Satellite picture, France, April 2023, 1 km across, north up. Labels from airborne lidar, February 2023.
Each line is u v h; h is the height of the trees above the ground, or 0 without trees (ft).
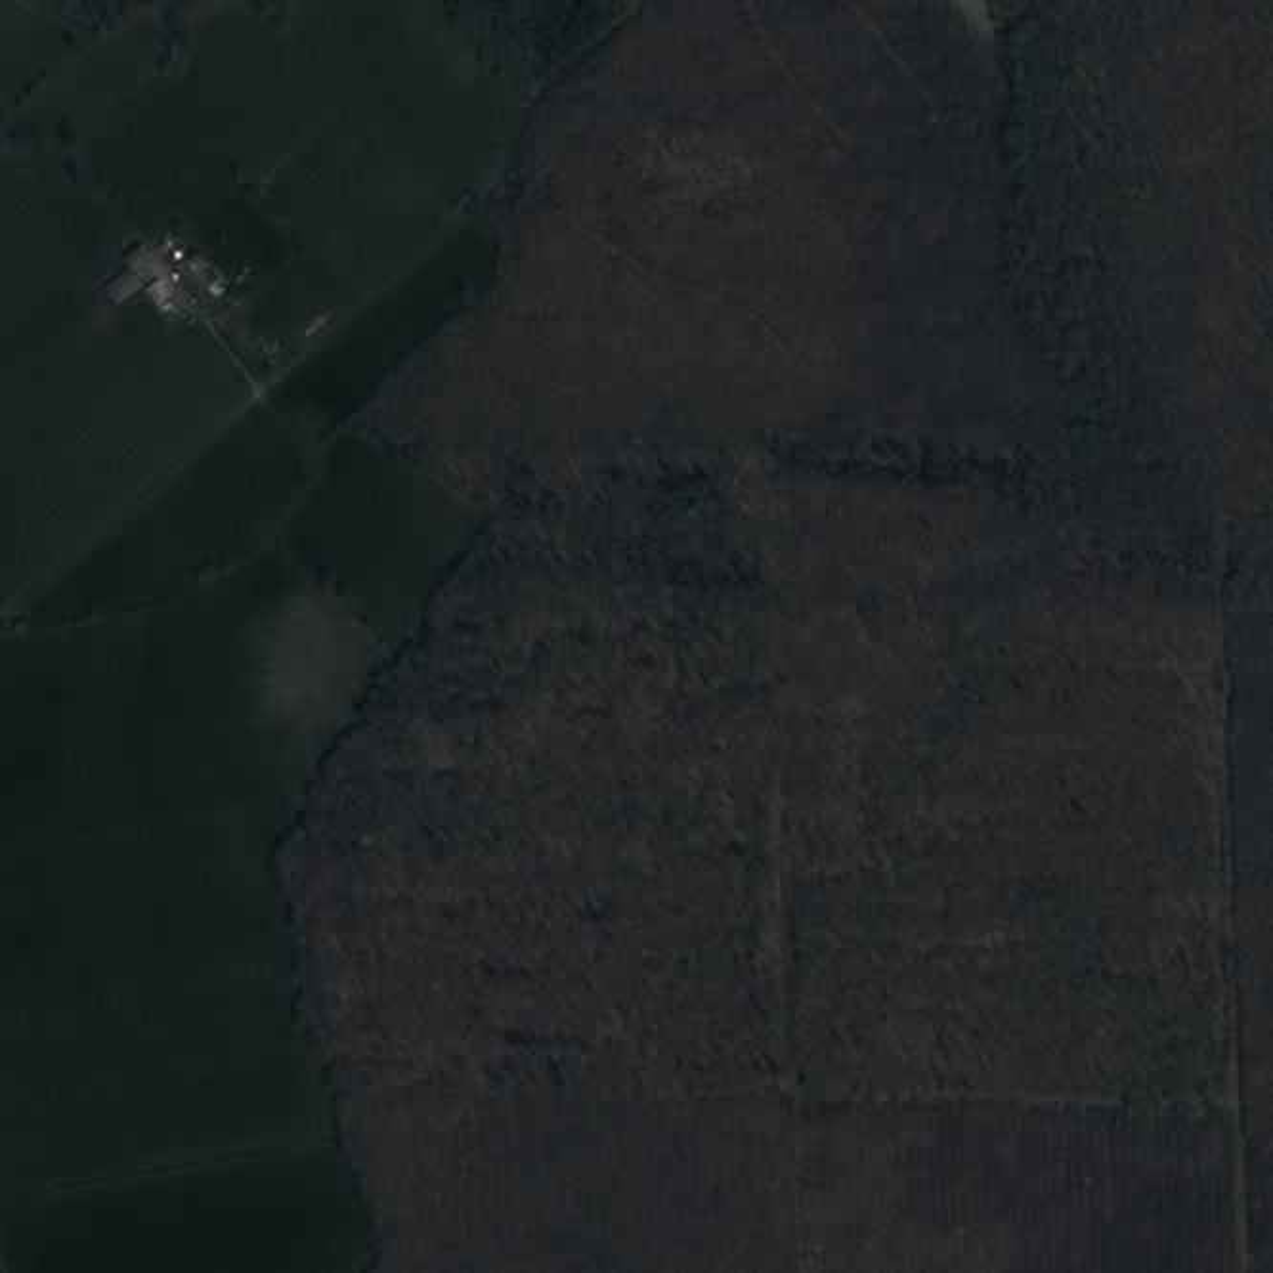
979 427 44
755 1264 38
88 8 66
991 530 61
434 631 52
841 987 51
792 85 38
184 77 0
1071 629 54
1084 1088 56
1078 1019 59
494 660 60
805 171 45
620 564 56
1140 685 49
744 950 45
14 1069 0
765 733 55
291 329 0
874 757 51
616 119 35
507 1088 55
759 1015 49
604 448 52
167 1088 0
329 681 0
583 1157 40
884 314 38
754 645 52
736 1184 37
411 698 56
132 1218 0
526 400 36
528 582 62
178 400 0
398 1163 41
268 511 0
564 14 62
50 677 0
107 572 0
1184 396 61
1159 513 63
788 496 51
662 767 51
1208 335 61
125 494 0
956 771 46
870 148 31
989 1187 24
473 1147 31
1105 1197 18
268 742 0
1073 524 72
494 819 64
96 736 0
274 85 0
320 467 0
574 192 31
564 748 62
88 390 0
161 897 0
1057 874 59
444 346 35
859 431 41
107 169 0
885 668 51
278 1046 0
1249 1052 29
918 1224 23
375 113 0
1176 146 66
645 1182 35
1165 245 56
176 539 0
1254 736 38
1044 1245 21
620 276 33
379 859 61
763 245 32
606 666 60
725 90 41
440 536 0
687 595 67
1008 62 27
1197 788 58
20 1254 0
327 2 0
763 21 27
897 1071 53
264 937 0
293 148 0
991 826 51
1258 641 28
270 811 0
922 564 57
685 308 33
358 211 0
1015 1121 29
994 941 69
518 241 25
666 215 37
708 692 51
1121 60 69
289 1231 0
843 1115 26
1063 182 75
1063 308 52
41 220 0
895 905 44
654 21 43
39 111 0
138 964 0
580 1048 54
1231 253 72
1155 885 62
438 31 0
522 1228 31
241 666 0
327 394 0
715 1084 34
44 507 0
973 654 49
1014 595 55
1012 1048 52
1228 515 48
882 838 50
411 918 55
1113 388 67
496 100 0
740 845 56
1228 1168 23
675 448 50
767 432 49
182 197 0
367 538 0
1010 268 37
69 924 0
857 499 55
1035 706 47
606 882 61
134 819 0
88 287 0
